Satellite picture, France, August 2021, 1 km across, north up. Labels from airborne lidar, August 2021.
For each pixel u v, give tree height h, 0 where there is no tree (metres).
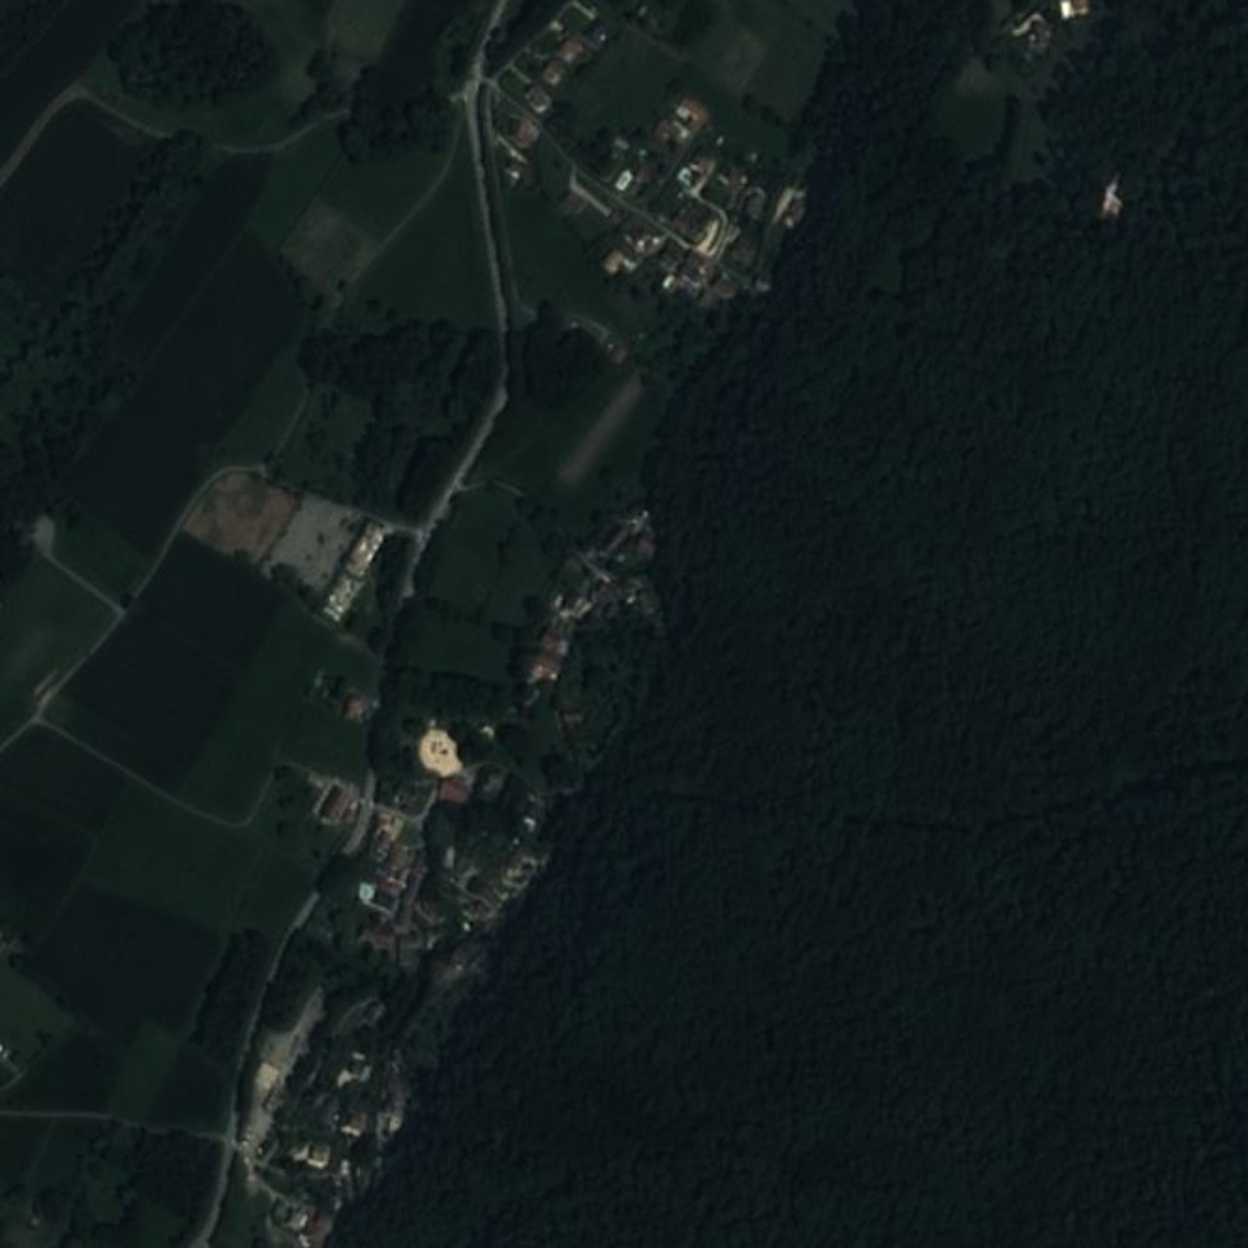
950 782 22
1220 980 23
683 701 24
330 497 9
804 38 0
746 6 0
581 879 20
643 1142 17
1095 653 18
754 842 13
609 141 13
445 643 0
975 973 20
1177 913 21
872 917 24
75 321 22
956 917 21
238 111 0
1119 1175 21
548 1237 17
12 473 21
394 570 14
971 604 23
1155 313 22
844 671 23
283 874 0
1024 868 26
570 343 20
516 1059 18
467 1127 23
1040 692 28
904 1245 29
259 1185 0
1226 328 17
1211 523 17
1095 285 21
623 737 16
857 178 17
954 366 25
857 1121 13
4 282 19
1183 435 18
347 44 0
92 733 0
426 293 0
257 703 0
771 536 18
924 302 21
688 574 16
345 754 0
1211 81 15
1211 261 25
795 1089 22
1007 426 26
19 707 0
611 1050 15
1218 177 14
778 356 20
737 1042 22
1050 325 25
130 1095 0
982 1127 25
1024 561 24
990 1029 25
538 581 0
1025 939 26
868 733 24
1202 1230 24
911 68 17
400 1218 15
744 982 15
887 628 30
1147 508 26
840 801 19
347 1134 9
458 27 6
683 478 20
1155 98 25
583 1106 27
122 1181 0
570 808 24
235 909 0
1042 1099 21
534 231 0
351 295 13
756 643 22
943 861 19
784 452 14
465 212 0
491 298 0
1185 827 27
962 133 0
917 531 25
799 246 12
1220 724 18
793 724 25
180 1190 21
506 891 0
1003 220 24
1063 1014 22
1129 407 18
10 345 0
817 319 16
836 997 18
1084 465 18
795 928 21
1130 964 24
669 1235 22
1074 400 20
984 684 26
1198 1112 25
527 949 25
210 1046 16
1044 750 26
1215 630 16
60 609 0
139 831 0
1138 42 21
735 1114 19
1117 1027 22
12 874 0
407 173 0
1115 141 24
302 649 0
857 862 18
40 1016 0
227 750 0
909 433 18
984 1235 21
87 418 14
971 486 21
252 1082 13
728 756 22
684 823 15
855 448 19
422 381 18
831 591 21
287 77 0
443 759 0
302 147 0
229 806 0
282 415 0
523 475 0
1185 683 18
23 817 0
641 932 19
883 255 20
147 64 6
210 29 25
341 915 15
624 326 0
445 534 14
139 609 16
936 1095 17
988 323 24
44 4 21
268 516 0
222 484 0
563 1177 20
